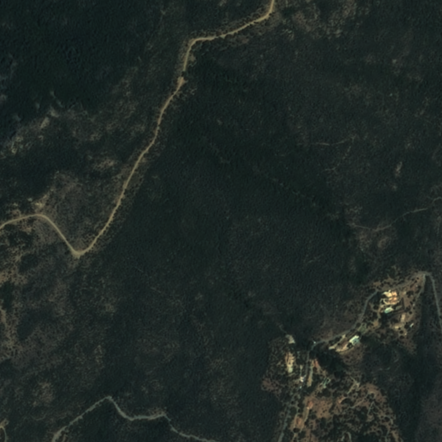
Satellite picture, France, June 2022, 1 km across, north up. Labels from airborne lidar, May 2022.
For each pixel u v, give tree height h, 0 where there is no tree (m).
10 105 5
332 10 8
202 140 14
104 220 6
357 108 6
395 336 7
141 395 5
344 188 6
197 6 9
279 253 8
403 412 11
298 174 9
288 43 6
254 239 8
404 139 6
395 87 6
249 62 10
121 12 6
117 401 8
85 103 6
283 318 6
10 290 6
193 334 7
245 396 10
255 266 6
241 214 9
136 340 8
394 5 9
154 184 9
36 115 5
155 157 7
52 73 6
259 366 7
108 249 5
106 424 7
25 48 10
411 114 6
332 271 8
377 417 10
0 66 6
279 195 10
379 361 8
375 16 6
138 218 5
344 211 8
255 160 10
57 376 6
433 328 6
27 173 7
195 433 7
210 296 6
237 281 7
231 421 6
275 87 8
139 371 6
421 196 8
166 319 7
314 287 9
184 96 9
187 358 7
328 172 7
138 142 6
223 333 8
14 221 0
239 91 9
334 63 7
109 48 9
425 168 9
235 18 10
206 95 11
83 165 5
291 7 8
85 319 8
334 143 8
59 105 6
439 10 14
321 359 14
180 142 8
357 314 6
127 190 7
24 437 6
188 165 9
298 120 7
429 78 9
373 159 10
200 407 6
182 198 10
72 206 0
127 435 6
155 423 10
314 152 6
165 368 7
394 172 7
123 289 6
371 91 7
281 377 12
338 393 9
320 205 11
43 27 11
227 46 11
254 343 8
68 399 6
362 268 6
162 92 7
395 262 9
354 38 7
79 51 9
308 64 7
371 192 7
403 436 6
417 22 12
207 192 9
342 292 7
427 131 12
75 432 7
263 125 8
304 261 7
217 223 10
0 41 11
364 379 6
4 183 5
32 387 6
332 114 8
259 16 7
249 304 15
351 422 9
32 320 7
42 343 7
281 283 8
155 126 8
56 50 11
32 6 6
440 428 0
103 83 5
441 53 7
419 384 8
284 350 9
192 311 11
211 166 7
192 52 10
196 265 10
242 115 6
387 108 7
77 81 6
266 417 10
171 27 6
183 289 8
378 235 7
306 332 9
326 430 7
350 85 9
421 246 9
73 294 7
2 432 6
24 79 6
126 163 6
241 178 9
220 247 12
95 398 8
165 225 11
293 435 11
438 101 9
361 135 6
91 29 6
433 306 7
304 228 9
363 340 7
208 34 9
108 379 6
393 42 8
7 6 10
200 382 6
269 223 7
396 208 7
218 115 10
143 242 9
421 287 10
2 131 8
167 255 9
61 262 0
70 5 6
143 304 7
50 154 6
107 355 10
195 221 12
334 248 10
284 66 8
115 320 6
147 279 6
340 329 0
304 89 6
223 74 6
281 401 7
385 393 9
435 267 9
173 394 8
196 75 14
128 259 8
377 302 8
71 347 6
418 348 6
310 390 8
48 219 0
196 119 12
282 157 10
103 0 6
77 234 0
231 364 7
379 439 7
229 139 7
